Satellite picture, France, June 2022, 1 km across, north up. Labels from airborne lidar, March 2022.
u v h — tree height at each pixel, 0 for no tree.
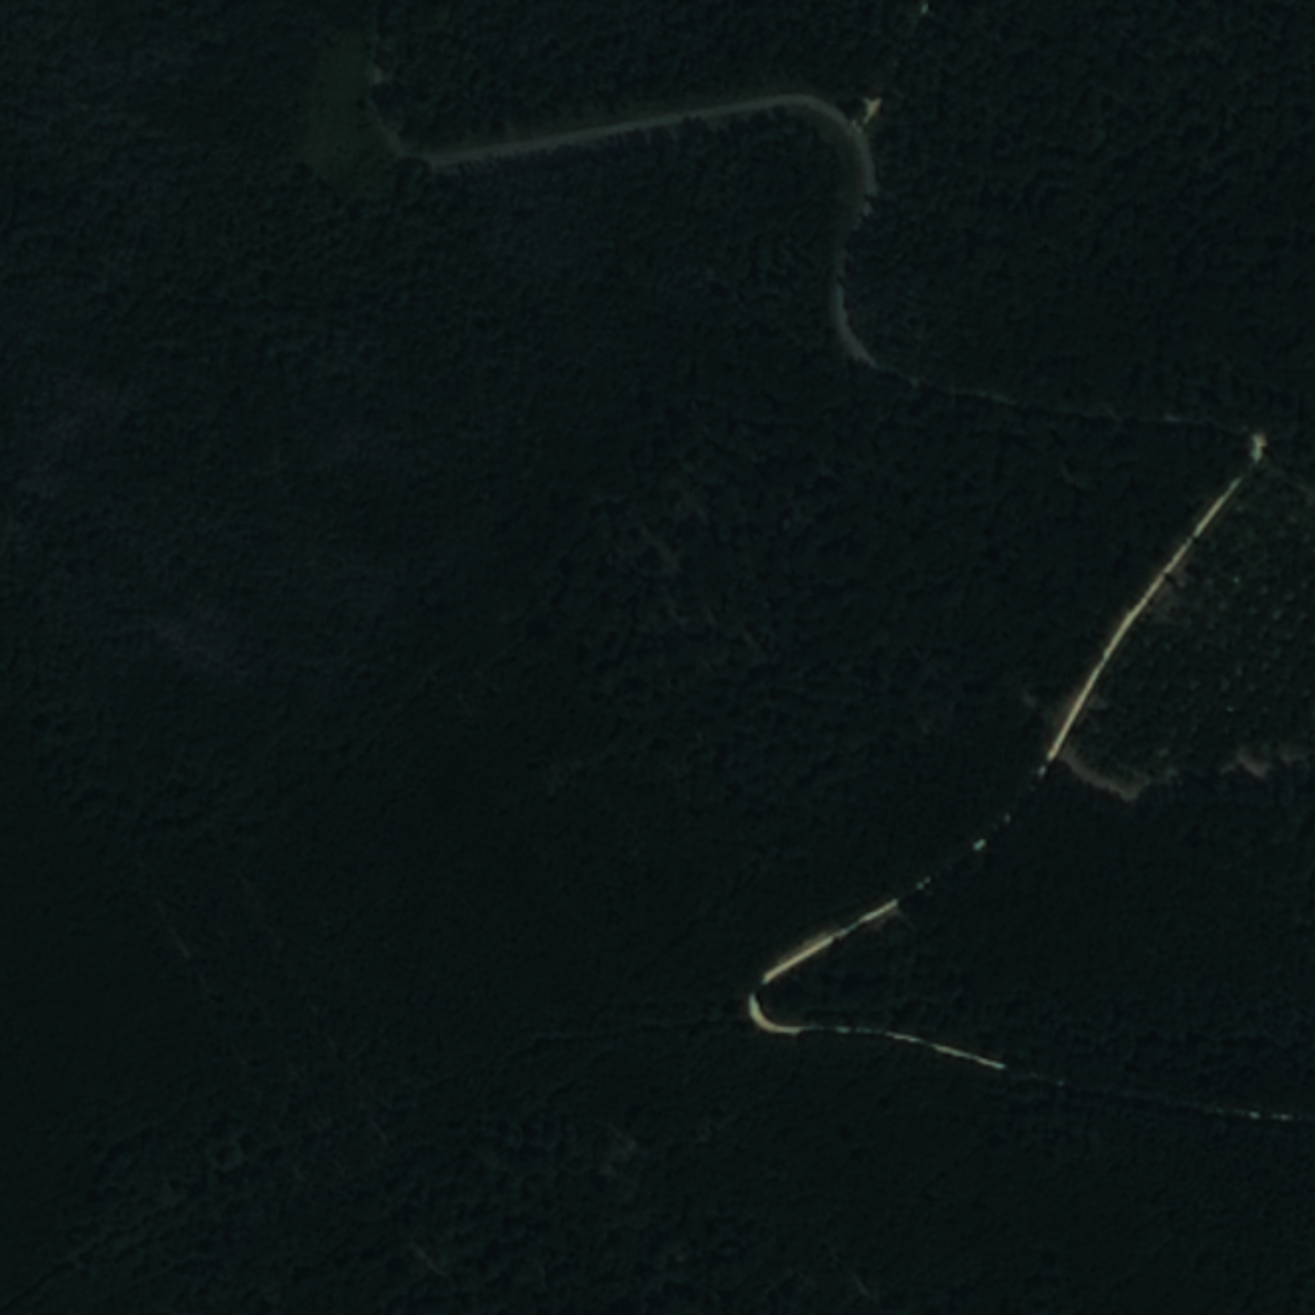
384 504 24
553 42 9
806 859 20
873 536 23
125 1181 19
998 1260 11
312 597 18
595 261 23
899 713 20
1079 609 22
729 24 18
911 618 23
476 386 22
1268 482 0
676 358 26
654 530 20
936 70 19
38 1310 10
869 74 23
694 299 22
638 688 27
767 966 7
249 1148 20
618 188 20
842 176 20
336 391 20
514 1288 21
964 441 21
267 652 17
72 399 20
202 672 21
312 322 18
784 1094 8
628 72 19
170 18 20
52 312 19
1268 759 0
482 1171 22
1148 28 22
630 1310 27
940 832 18
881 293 19
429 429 20
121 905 12
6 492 21
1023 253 24
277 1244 23
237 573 20
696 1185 11
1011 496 21
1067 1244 8
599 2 19
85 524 18
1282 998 20
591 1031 15
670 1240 25
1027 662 14
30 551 20
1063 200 26
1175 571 0
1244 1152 0
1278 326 24
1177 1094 21
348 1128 11
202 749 22
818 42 24
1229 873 17
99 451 20
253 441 20
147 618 20
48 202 19
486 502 24
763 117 0
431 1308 24
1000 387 17
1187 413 18
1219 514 0
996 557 22
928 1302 16
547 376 24
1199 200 24
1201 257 24
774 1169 17
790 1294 22
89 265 16
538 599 18
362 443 23
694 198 17
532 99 21
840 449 21
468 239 21
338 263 13
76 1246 13
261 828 22
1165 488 20
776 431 23
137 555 18
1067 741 0
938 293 25
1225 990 23
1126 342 24
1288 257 23
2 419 17
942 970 17
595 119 0
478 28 16
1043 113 23
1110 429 18
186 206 17
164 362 23
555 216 21
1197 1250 7
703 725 19
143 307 21
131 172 16
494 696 12
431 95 27
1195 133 25
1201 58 24
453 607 26
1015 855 18
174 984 10
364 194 0
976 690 22
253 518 16
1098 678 0
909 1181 9
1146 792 0
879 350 16
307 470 20
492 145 0
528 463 26
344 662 17
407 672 26
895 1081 7
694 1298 23
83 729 23
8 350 18
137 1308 6
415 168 13
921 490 20
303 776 17
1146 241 22
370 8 22
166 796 25
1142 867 19
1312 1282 22
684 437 24
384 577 18
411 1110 18
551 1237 23
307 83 18
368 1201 25
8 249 18
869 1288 26
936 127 21
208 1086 9
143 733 23
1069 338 26
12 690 23
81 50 17
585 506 23
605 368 22
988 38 23
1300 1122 0
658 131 0
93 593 23
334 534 17
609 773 7
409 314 21
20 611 20
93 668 18
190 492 18
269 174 19
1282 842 22
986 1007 22
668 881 8
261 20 17
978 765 18
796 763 18
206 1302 18
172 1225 6
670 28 14
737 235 19
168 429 18
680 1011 13
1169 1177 20
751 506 20
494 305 19
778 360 24
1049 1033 24
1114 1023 24
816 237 20
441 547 21
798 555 22
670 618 22
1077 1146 26
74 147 19
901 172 18
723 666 22
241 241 17
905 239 22
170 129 17
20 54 6
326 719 23
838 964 16
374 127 0
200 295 19
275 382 21
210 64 19
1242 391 21
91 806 19
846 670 23
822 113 0
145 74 15
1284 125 16
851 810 16
